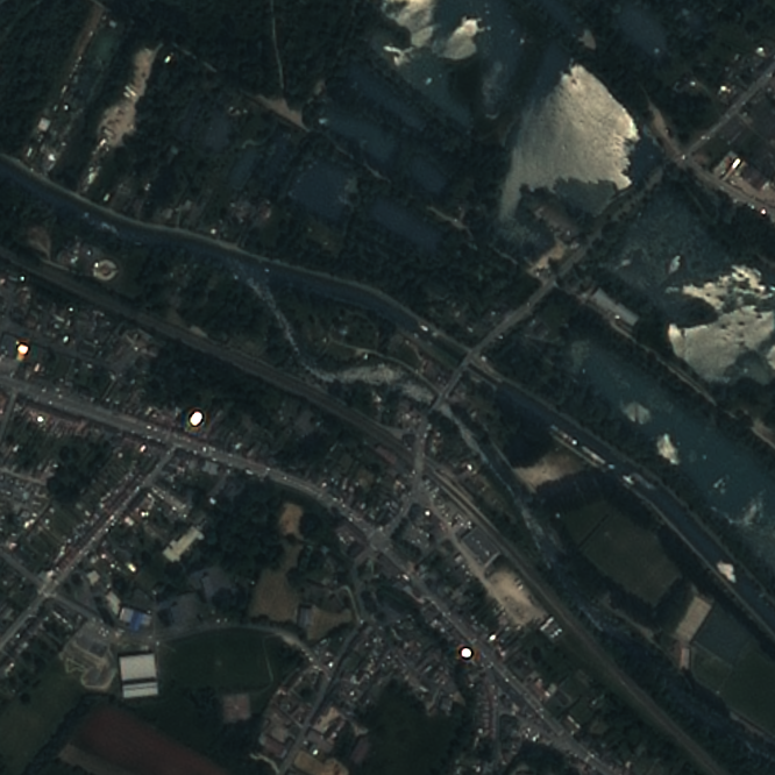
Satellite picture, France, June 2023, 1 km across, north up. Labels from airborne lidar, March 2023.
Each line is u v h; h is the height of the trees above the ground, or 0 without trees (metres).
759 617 0
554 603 0
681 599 22
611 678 0
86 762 0
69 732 9
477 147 18
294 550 0
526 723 0
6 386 0
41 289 12
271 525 9
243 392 9
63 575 0
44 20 13
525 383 22
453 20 0
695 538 0
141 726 0
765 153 0
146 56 0
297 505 0
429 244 0
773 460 12
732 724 8
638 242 0
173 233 0
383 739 0
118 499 0
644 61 18
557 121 0
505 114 0
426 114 8
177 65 7
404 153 16
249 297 11
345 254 8
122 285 0
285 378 0
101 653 0
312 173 0
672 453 0
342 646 0
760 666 0
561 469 0
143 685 0
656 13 13
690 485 8
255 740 9
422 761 0
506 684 0
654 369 8
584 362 0
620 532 0
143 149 12
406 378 0
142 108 19
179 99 18
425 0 0
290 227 10
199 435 0
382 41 0
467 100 0
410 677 0
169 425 0
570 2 13
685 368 13
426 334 0
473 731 12
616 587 29
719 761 14
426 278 13
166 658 0
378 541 0
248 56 6
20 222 20
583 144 0
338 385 12
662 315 10
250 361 0
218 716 13
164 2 6
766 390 6
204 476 0
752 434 9
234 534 23
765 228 10
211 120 7
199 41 8
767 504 0
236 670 0
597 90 0
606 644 14
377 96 0
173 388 16
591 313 12
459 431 13
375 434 0
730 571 0
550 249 0
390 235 13
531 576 0
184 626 0
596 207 0
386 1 0
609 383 0
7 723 0
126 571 0
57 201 0
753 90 0
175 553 0
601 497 0
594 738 11
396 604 0
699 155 0
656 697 15
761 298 0
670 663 17
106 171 0
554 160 0
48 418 0
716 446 0
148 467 0
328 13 6
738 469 0
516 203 0
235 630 0
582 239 11
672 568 0
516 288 17
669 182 14
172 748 0
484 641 0
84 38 0
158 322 0
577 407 9
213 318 6
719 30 14
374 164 21
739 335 0
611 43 17
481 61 0
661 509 0
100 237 7
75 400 0
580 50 6
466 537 0
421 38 0
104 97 6
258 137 7
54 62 14
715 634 0
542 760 24
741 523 0
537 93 0
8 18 9
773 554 0
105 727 0
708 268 0
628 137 0
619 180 0
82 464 0
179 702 0
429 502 0
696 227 0
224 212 9
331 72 8
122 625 0
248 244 9
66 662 0
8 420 0
